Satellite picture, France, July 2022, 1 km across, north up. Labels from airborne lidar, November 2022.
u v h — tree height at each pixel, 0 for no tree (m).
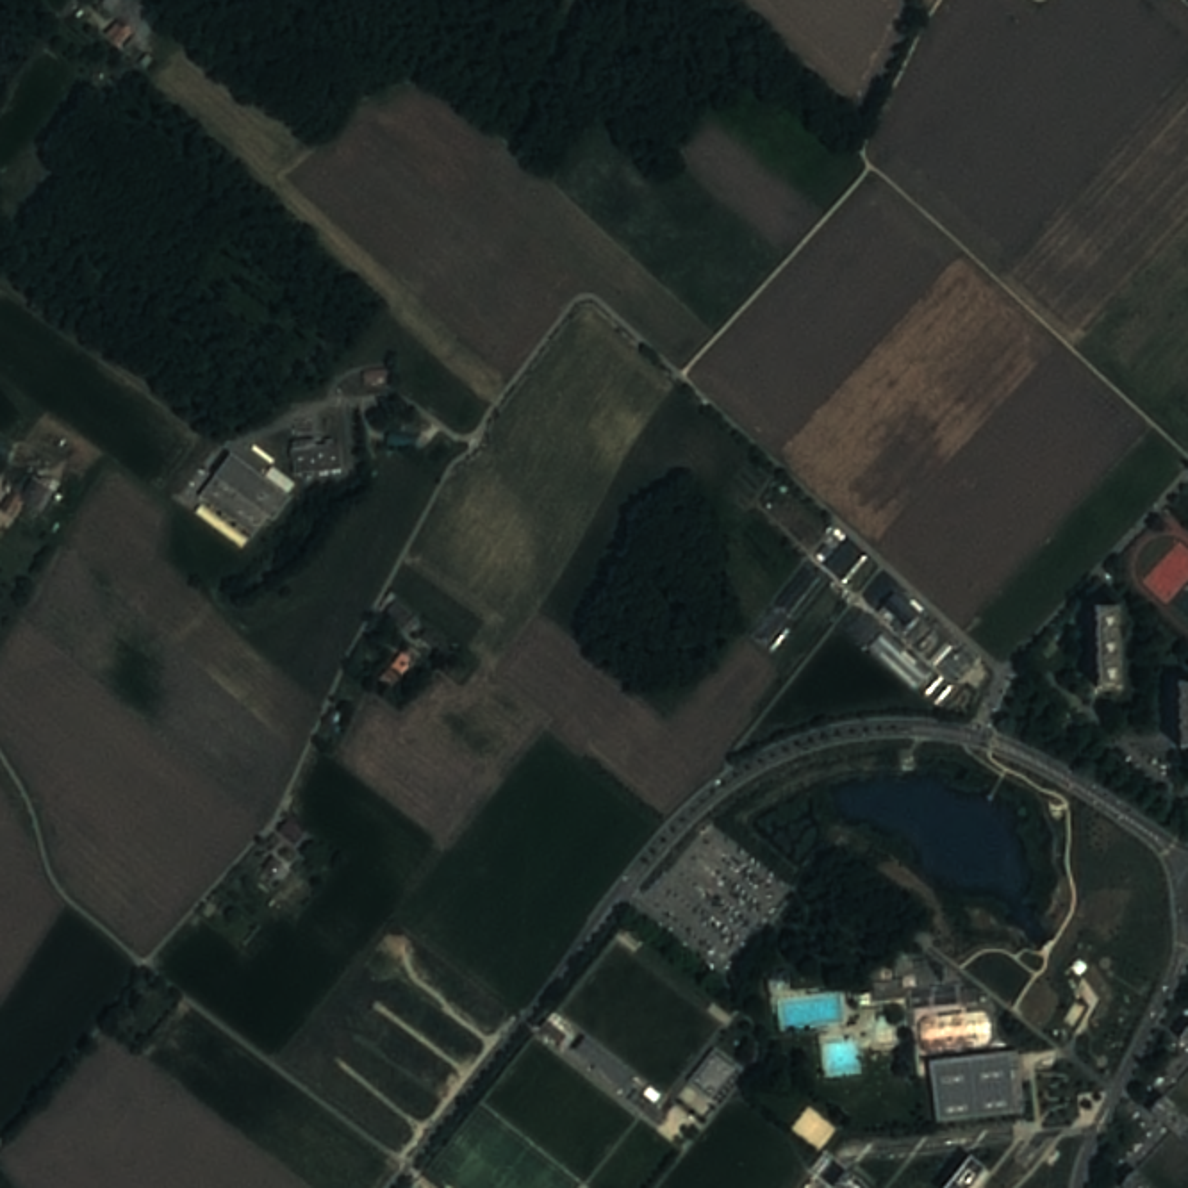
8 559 0
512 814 0
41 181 0
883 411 0
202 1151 0
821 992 0
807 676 0
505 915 0
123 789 0
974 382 0
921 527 0
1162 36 0
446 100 11
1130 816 0
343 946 0
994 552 0
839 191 0
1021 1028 19
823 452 0
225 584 8
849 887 27
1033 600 0
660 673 30
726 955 0
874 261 0
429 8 18
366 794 0
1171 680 0
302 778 0
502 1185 0
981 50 0
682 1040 0
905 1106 0
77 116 25
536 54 20
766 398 0
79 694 0
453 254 0
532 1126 0
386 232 0
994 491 0
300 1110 0
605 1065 0
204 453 0
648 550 27
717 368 0
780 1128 8
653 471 0
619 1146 0
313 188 0
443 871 0
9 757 0
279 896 0
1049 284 0
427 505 0
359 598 0
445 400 0
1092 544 0
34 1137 0
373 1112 0
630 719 0
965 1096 0
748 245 0
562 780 0
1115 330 0
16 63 21
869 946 24
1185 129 0
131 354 23
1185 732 0
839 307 0
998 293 0
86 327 25
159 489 0
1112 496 0
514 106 21
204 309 25
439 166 0
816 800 0
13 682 0
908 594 0
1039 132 0
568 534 0
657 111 28
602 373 0
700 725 0
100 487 0
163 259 21
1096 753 21
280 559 8
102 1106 0
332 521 16
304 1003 0
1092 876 0
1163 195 0
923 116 0
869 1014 0
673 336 0
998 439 0
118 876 0
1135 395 0
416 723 0
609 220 0
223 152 18
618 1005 0
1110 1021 0
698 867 0
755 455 8
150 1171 0
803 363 0
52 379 0
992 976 0
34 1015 0
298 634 0
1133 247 0
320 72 26
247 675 0
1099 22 0
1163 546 0
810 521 0
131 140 23
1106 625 0
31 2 24
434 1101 0
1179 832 15
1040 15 0
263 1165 0
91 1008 0
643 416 0
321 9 25
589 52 24
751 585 0
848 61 0
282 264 23
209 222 27
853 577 0
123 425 0
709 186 0
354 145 0
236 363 21
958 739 0
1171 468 0
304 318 24
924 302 0
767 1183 0
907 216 0
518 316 0
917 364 0
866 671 0
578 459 0
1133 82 0
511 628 0
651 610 33
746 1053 12
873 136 16
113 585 0
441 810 0
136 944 0
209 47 24
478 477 0
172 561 0
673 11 27
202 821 0
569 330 0
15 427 0
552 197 0
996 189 0
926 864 0
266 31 24
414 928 0
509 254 0
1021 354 0
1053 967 0
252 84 22
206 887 0
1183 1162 0
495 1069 8
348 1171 0
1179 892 0
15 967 0
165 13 25
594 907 0
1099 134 0
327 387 0
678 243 0
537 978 0
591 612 21
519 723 0
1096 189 0
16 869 0
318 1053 0
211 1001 0
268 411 19
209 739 0
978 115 0
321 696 0
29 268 24
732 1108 0
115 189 22
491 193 0
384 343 0
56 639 0
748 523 0
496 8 25
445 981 0
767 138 0
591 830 0
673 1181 0
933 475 0
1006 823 0
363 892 0
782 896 0
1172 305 0
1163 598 0
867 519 0
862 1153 0
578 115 22
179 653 0
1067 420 0
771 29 23
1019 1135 0
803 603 0
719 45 26
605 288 0
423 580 0
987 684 0
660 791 0
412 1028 0
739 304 0
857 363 0
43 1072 0
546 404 0
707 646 28
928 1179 0
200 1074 0
